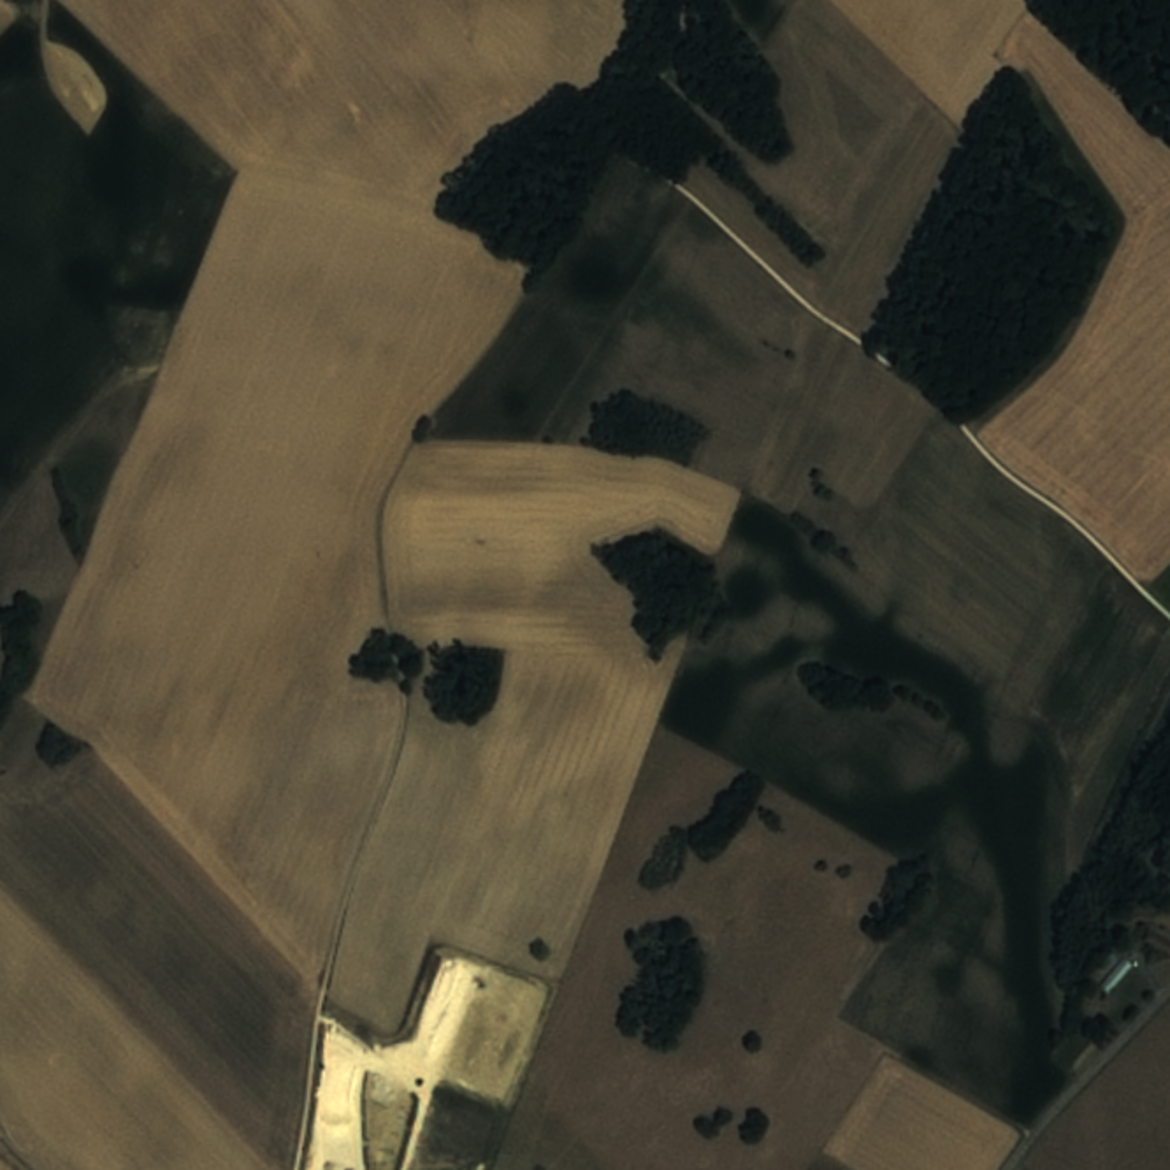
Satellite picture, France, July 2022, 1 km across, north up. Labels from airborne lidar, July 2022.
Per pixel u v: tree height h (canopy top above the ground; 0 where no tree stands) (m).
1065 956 19
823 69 0
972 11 0
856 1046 0
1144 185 0
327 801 0
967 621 0
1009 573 0
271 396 0
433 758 0
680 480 0
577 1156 0
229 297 0
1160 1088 0
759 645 0
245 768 0
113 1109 0
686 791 0
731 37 20
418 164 0
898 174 0
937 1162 0
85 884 0
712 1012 0
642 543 16
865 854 0
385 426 0
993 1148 0
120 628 0
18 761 0
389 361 0
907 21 0
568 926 0
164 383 0
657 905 0
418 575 0
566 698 0
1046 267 26
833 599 0
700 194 0
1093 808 0
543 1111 0
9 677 7
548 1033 0
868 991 0
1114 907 19
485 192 23
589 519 0
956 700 0
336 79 0
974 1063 0
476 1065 0
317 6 0
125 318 0
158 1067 0
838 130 0
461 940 0
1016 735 0
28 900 0
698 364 0
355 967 0
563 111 23
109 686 0
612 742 0
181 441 0
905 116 0
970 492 0
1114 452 0
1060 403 0
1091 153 0
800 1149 0
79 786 0
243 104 0
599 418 15
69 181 0
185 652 0
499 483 0
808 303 0
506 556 0
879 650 0
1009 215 29
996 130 28
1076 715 0
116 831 0
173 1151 0
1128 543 0
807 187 0
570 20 0
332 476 0
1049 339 24
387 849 0
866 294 0
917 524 0
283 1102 0
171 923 0
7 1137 0
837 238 0
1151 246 0
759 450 0
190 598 0
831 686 19
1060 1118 0
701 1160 0
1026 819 0
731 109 18
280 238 0
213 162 0
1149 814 23
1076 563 0
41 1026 0
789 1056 0
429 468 0
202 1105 0
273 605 0
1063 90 0
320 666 0
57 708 0
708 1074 0
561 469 0
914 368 24
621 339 0
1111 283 0
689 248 0
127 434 0
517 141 25
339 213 0
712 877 0
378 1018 0
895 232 0
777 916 0
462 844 0
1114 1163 0
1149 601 0
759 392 0
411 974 0
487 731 0
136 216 0
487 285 0
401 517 0
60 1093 0
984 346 26
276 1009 0
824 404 0
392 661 7
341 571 0
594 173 16
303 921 0
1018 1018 0
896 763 0
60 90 0
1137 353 0
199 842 0
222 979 0
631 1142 0
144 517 0
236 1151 0
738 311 0
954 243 23
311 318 0
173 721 0
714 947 0
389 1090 0
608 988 0
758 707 0
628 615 0
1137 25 26
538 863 0
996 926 0
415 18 0
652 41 19
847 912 0
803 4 0
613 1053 0
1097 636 0
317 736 0
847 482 0
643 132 22
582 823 0
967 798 0
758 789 13
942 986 0
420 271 0
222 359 0
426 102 0
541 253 19
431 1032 0
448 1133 0
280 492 0
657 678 0
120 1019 0
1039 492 0
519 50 0
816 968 0
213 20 0
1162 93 28
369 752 0
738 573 0
